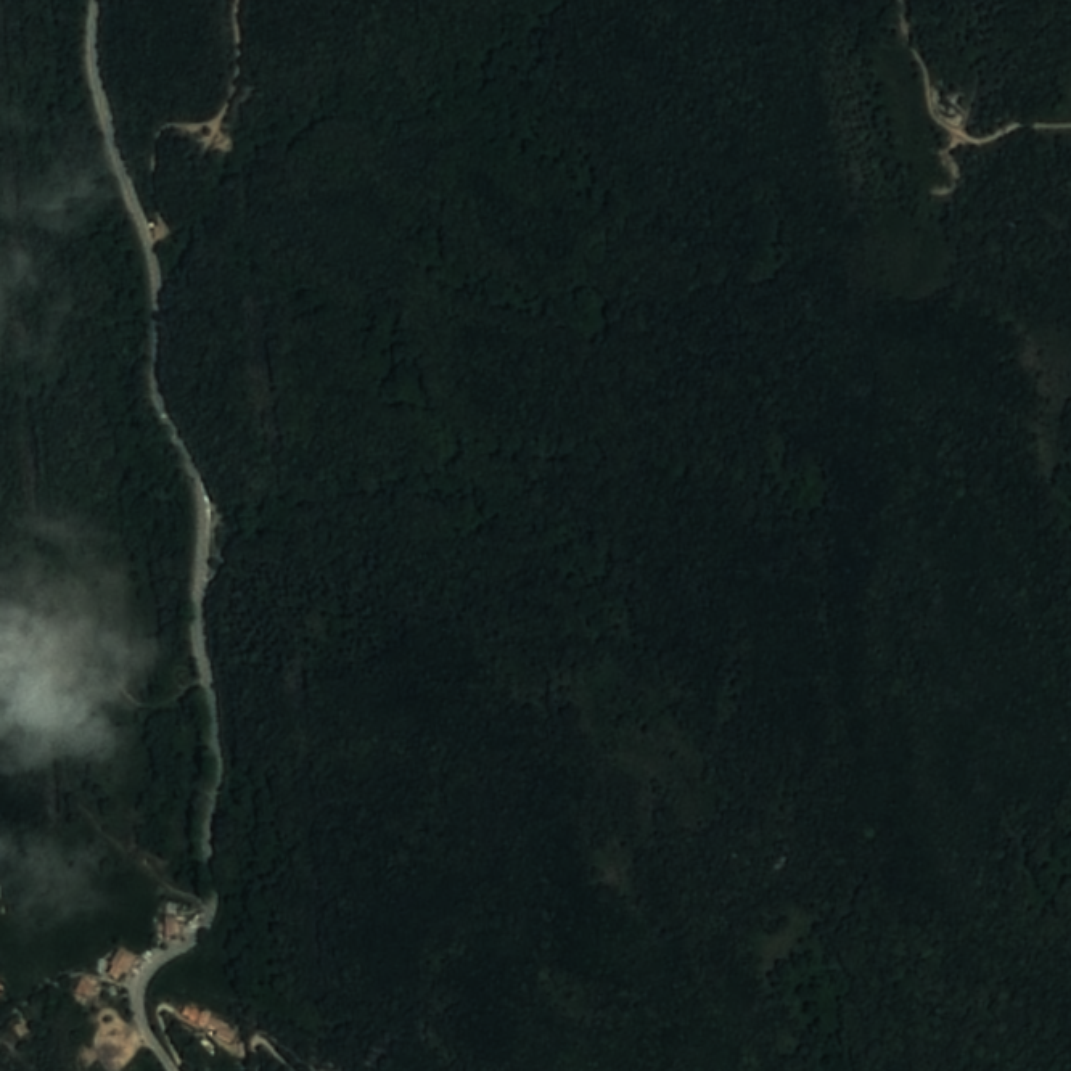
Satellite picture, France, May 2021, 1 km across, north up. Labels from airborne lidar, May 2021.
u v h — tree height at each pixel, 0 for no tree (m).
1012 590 7
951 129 0
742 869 9
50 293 10
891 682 9
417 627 9
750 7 8
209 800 22
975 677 7
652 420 12
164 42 6
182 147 15
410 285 15
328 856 9
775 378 9
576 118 12
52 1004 9
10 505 9
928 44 11
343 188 10
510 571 13
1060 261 7
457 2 12
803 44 9
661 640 11
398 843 11
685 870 9
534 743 10
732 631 12
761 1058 8
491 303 14
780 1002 16
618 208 14
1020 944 11
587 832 10
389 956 7
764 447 8
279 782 13
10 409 13
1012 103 8
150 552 12
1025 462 12
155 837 14
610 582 14
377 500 18
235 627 9
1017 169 8
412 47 11
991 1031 12
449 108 16
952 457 13
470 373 11
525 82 12
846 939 11
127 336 8
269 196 15
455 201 14
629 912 7
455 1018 8
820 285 8
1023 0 10
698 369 12
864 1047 8
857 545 11
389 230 8
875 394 9
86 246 10
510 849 7
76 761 14
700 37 8
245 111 10
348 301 11
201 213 11
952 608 7
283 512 21
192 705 12
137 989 0
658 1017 11
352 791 11
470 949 9
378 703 7
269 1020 9
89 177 10
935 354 9
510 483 15
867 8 17
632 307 11
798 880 13
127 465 8
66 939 0
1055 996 9
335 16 11
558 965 10
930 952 10
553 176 13
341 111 15
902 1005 9
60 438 8
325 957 7
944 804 7
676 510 11
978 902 9
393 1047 6
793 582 8
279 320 15
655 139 6
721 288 12
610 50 10
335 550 13
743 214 10
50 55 11
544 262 13
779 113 6
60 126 12
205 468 9
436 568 13
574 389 8
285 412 12
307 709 7
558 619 16
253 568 15
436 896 6
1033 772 8
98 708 14
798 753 8
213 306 15
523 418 10
